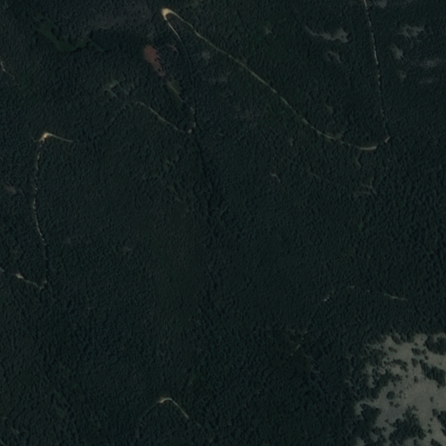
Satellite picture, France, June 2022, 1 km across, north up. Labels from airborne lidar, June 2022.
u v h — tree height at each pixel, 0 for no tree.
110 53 26
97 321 21
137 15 10
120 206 20
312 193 20
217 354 14
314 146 19
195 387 10
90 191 15
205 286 27
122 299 16
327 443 22
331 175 18
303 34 20
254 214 18
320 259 14
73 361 22
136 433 23
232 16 19
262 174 14
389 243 20
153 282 7
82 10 15
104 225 16
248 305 20
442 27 8
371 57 13
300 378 14
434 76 11
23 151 16
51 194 13
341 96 26
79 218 13
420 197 26
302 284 16
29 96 17
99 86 12
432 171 25
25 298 16
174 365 21
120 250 11
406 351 0
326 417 19
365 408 12
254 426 23
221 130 8
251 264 17
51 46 23
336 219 15
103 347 17
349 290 8
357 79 18
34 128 12
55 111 19
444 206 23
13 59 13
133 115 11
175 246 15
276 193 11
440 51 9
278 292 20
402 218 21
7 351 24
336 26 15
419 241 25
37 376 22
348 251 17
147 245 17
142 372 19
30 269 26
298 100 21
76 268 19
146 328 21
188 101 24
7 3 18
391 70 11
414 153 18
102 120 18
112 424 13
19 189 11
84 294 19
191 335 22
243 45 12
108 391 19
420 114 15
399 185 21
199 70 17
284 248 19
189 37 14
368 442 13
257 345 10
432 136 17
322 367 22
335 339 17
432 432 9
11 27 20
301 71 17
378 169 20
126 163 18
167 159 16
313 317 19
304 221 15
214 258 30
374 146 0
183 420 16
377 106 20
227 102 11
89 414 19
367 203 14
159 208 17
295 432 19
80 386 6
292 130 18
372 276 19
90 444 10
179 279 18
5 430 26
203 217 16
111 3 9
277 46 20
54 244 20
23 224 10
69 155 19
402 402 0
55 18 19
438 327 21
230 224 19
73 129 21
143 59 24
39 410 23
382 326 17
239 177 18
